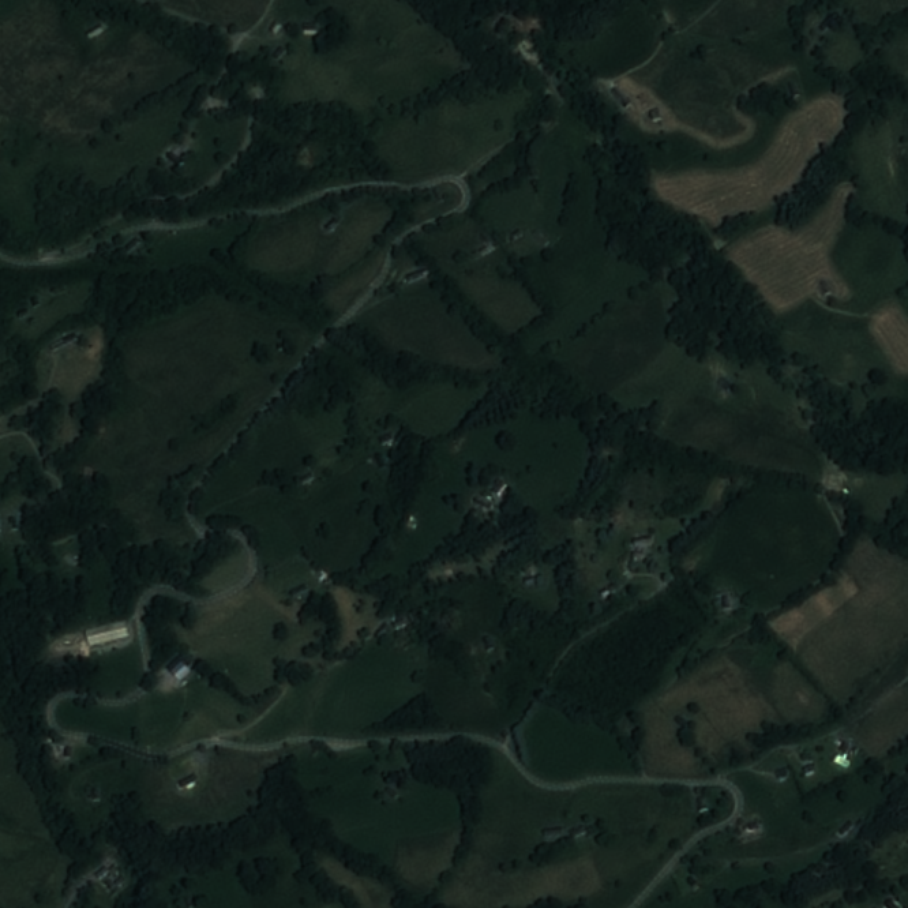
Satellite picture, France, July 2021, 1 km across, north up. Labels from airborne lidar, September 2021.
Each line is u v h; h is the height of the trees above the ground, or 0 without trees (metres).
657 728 0
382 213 0
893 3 0
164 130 0
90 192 13
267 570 8
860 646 0
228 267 10
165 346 0
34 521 18
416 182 0
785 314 0
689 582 7
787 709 0
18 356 11
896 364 0
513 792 0
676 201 0
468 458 0
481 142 0
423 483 22
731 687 0
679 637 8
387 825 0
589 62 0
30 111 0
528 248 0
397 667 0
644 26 0
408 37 0
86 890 12
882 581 0
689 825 0
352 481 0
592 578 0
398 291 18
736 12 0
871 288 0
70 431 0
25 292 8
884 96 18
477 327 17
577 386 9
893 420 20
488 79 17
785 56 0
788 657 16
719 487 0
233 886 0
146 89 0
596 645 7
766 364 7
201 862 23
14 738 24
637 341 0
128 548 7
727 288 20
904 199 0
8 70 0
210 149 0
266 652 0
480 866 0
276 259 0
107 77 0
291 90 0
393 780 19
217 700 0
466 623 0
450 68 0
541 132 15
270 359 18
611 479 21
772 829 0
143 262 15
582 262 0
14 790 0
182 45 21
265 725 0
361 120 7
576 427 0
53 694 12
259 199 12
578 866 0
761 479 19
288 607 9
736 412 0
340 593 0
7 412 17
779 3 0
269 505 0
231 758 0
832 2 19
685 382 0
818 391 24
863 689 8
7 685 12
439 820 0
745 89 0
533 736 0
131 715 0
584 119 13
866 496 0
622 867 0
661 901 13
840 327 0
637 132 0
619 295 0
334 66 0
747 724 0
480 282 0
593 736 0
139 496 0
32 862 0
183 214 24
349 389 8
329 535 9
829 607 0
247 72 17
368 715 0
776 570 0
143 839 23
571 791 0
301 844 19
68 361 0
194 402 0
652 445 17
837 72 15
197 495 17
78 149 0
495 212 0
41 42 0
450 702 0
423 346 0
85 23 0
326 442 0
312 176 18
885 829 23
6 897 0
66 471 14
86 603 18
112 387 17
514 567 25
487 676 0
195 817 0
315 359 18
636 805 0
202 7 0
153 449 0
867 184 0
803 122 0
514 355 9
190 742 0
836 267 0
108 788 0
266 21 0
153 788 0
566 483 0
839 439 22
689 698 0
